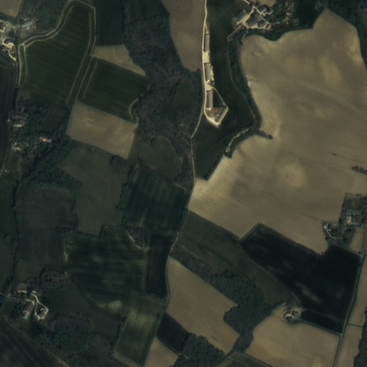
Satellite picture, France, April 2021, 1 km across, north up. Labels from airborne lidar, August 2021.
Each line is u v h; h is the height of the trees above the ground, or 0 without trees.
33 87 0
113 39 0
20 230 11
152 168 0
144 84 0
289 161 0
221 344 0
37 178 8
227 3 0
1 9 0
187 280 0
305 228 0
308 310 0
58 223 0
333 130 0
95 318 0
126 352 0
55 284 9
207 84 0
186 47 0
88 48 0
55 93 0
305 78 0
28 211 0
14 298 11
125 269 0
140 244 9
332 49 0
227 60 0
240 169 0
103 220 0
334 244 0
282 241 0
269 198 0
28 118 9
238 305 14
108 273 0
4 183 0
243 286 19
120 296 0
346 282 0
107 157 0
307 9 0
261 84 0
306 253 0
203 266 8
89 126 0
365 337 14
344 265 0
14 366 0
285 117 0
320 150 0
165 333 0
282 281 0
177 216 0
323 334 0
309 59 0
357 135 0
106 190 0
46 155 6
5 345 0
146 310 0
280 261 0
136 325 0
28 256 0
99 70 0
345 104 0
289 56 0
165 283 0
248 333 17
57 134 13
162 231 0
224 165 0
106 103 0
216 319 0
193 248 0
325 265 0
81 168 0
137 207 0
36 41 0
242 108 0
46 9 17
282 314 0
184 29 0
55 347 11
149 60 12
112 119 0
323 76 0
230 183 0
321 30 0
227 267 0
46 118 17
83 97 0
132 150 0
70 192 12
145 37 8
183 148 8
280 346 0
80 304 0
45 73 0
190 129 6
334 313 0
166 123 11
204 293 0
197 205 0
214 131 0
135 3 0
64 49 0
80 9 0
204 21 0
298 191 0
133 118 0
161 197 0
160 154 0
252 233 0
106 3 0
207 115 0
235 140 7
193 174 9
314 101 0
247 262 0
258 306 21
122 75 0
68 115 8
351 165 0
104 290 0
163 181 0
